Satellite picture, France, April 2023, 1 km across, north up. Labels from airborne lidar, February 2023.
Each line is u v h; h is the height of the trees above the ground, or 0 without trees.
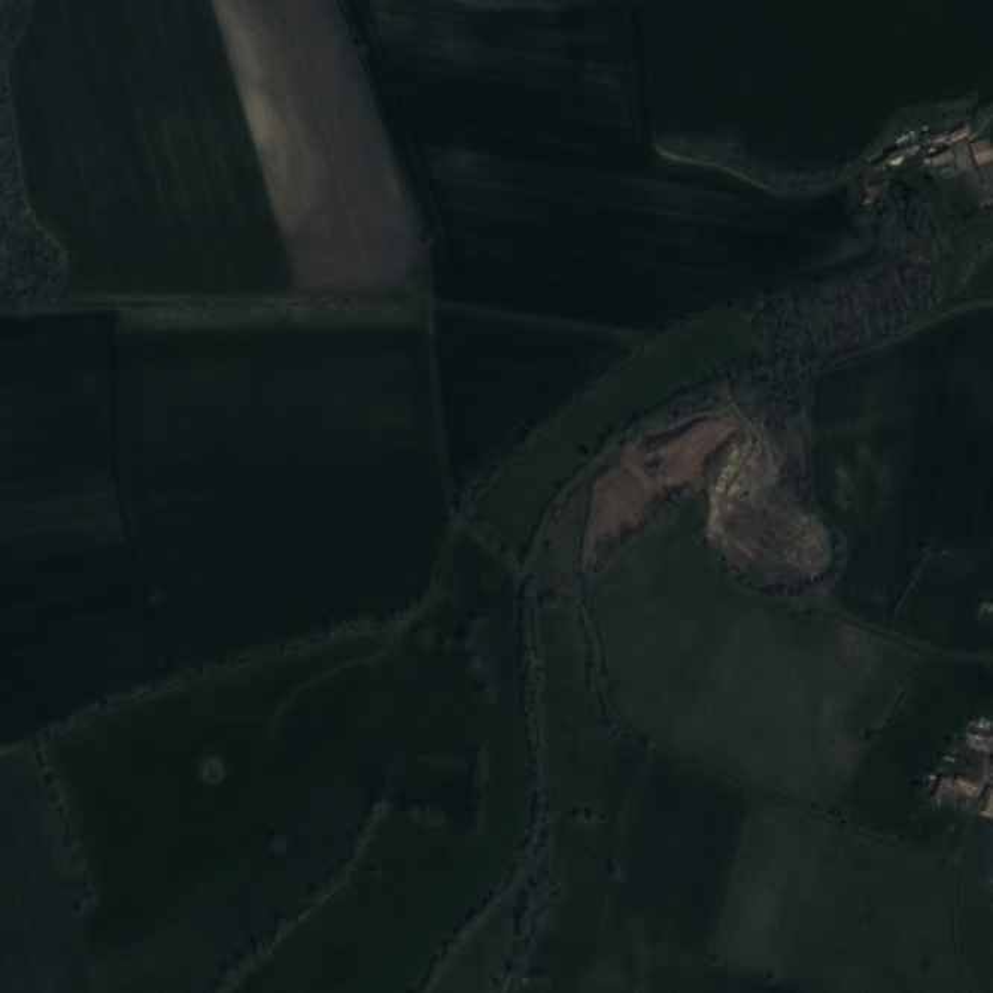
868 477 0
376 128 0
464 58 0
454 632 0
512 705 0
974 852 0
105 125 0
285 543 0
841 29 0
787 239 0
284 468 0
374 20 0
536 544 7
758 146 0
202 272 0
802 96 0
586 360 0
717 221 0
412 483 0
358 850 20
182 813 0
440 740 0
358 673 0
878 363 0
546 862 11
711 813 0
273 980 0
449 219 0
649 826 0
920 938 0
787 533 0
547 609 11
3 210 10
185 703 0
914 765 0
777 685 0
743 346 0
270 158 0
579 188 0
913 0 0
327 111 0
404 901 0
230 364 0
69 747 0
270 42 0
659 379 0
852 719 0
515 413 0
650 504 0
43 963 0
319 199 0
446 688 0
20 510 0
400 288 0
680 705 0
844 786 0
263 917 0
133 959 0
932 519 0
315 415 0
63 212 0
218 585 0
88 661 0
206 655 0
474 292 0
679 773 0
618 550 10
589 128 0
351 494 0
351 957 0
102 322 0
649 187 0
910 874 0
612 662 0
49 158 0
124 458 0
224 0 0
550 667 0
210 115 0
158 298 0
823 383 0
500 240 0
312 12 0
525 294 0
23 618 0
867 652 0
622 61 0
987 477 0
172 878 0
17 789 0
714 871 0
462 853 0
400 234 0
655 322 0
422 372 0
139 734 0
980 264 0
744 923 0
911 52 0
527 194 0
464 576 0
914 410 0
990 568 0
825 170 6
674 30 0
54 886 0
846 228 0
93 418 0
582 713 0
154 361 0
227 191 0
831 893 0
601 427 0
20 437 0
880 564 0
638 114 0
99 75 0
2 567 0
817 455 0
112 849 0
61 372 0
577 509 0
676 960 0
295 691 0
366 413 0
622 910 0
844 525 0
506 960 0
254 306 0
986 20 0
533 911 20
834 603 0
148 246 0
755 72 0
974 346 0
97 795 0
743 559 0
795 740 0
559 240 0
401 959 0
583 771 0
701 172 0
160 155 0
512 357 0
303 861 0
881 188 0
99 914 0
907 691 10
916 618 0
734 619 0
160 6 0
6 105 10
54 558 0
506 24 0
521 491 0
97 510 0
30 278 14
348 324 0
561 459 0
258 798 0
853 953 0
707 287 0
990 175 0
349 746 0
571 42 0
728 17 0
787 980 0
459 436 0
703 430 0
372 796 0
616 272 0
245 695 0
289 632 0
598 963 0
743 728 0
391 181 0
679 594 0
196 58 0
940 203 0
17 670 0
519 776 0
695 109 0
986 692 0
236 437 0
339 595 0
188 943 0
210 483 0
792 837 0
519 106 0
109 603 0
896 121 0
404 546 0
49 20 0
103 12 0
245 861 0
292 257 0
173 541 0
